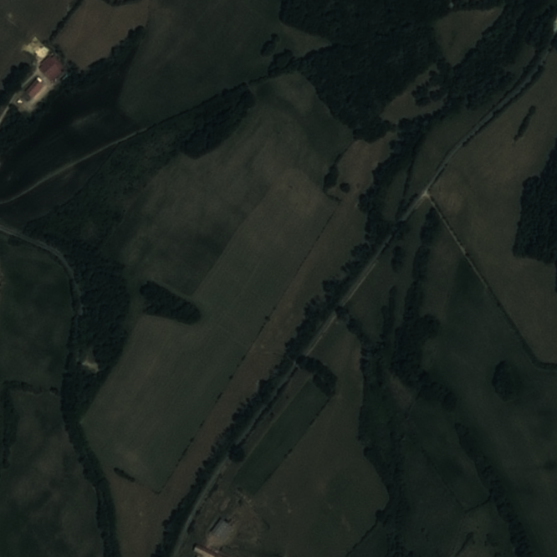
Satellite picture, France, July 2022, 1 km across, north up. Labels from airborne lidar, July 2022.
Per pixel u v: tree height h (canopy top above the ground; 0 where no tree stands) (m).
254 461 0
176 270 0
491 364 0
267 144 0
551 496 0
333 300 22
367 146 0
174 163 0
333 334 0
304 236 0
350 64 31
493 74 9
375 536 0
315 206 0
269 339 0
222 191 0
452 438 0
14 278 0
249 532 0
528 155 0
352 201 0
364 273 0
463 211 0
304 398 0
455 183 0
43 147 0
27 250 0
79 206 10
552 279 0
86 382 14
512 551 0
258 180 0
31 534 0
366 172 0
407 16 23
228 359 0
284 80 0
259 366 0
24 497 0
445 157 0
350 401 0
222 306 0
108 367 14
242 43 0
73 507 0
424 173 0
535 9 19
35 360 0
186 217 0
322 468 0
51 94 8
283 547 0
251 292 0
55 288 0
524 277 0
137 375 0
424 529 6
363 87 28
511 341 0
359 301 0
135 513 0
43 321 0
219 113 7
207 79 0
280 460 0
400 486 7
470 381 0
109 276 18
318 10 20
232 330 0
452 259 0
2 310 0
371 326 0
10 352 0
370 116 28
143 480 0
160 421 0
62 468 0
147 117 0
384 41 23
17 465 0
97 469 19
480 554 0
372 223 19
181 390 0
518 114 0
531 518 0
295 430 0
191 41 0
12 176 0
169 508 0
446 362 0
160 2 0
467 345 0
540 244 16
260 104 0
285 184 0
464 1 16
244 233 0
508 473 0
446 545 0
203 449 0
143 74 0
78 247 15
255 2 0
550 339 0
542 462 0
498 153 0
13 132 17
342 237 0
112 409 0
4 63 0
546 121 0
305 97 0
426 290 0
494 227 0
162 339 0
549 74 0
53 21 0
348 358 0
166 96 0
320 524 0
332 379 13
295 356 12
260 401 17
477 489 0
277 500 0
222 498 0
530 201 19
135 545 0
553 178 19
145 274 0
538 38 17
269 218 0
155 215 0
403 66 27
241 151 0
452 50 0
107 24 0
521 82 7
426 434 0
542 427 0
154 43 0
